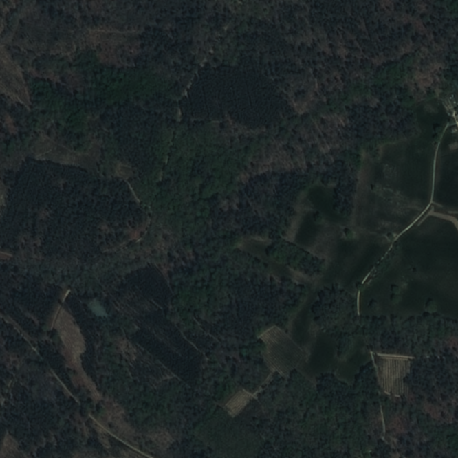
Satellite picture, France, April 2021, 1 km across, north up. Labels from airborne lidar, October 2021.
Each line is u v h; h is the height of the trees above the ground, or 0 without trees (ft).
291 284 41
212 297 61
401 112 78
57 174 56
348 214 49
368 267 0
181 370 55
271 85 67
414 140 0
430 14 66
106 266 71
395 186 0
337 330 29
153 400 63
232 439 41
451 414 43
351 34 73
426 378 56
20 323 70
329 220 0
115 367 57
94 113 69
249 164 44
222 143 59
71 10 33
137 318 26
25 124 65
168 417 65
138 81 49
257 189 76
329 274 0
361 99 54
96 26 53
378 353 31
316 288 0
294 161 57
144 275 51
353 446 50
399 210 0
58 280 83
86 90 32
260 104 63
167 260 46
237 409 0
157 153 64
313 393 53
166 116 39
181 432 55
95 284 79
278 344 0
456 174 0
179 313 59
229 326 71
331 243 0
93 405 59
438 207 0
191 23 52
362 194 0
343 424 24
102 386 53
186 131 52
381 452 74
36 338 70
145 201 46
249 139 44
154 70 41
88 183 72
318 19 52
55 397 53
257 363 41
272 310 68
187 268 82
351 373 0
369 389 78
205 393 53
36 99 46
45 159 0
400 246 23
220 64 64
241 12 43
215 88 71
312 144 45
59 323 0
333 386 77
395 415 30
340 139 40
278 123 79
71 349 0
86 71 29
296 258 50
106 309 65
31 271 65
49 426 81
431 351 49
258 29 73
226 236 46
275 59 73
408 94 55
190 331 22
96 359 50
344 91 45
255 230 72
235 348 47
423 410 36
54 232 52
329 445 56
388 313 0
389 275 0
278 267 0
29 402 88
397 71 83
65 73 18
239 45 42
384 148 0
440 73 30
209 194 79
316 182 45
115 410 21
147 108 49
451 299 0
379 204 0
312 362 0
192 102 65
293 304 44
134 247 63
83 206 59
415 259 0
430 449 54
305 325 0
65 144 26
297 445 51
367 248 0
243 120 64
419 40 61
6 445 0
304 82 43
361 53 65
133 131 85
